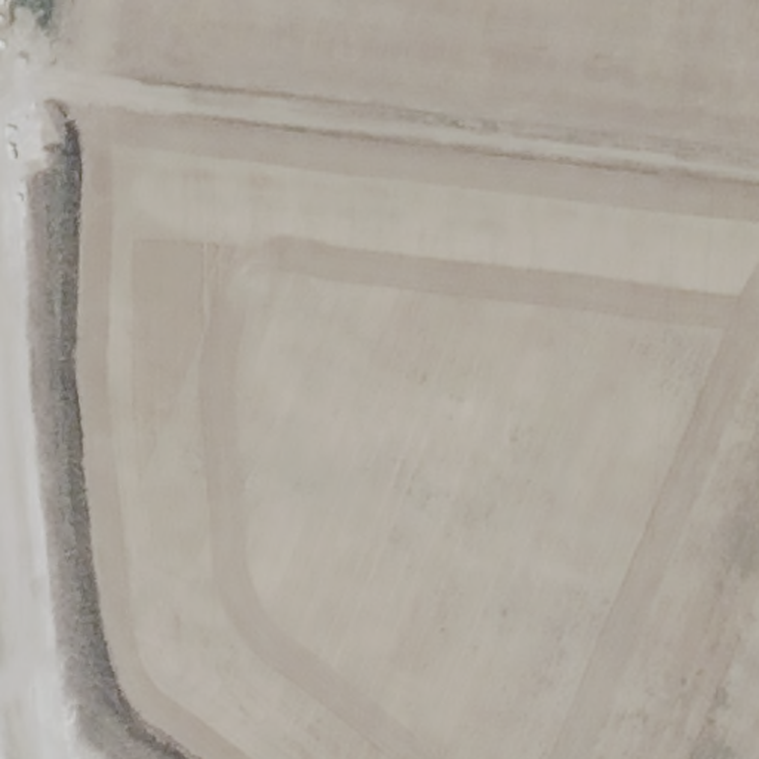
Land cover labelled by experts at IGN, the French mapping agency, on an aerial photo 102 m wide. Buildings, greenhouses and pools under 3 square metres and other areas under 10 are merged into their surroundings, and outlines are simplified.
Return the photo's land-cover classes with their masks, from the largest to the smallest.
<instances>
[{"label":"plowed land","instance_id":"1","mask_svg":"<svg viewBox=\"0 0 759 759\"><path fill-rule=\"evenodd\" d=\"M50 47L47 68L122 77L142 86L341 107L350 110V116L362 119L374 116L474 133H513L519 139L667 151L676 157L715 154L717 160L759 169V0H59V3L53 6V21H50V27H44V30ZM83 154L74 371L83 415V474L101 623L119 685L130 700L133 712L148 723L154 735L175 741L193 759H759V181L673 166H646L629 160H578L557 154L504 151L489 145L380 136L362 130H326L202 113H142L104 104L71 107Z\"/></svg>","mask_w":759,"mask_h":759},{"label":"pervious surface","instance_id":"2","mask_svg":"<svg viewBox=\"0 0 759 759\"><path fill-rule=\"evenodd\" d=\"M50 47L44 30L39 27V24H36V12L30 9V6H27V3H24V0H0V759H104L77 735V700L65 691V652L56 643L53 569L47 557L39 430L33 418L30 388L27 184L33 172L47 169L50 163L42 142V127L47 122L44 104L56 98L71 107L104 104L142 113H202L326 130H362L380 136L489 145L504 151L557 154L578 160H629L646 166H673L759 181V169L717 160L715 154L676 157L667 151L519 139L513 133H474L374 116L362 119L350 116V110L341 107L142 86L122 77L47 68Z\"/></svg>","mask_w":759,"mask_h":759},{"label":"herbaceous vegetation","instance_id":"3","mask_svg":"<svg viewBox=\"0 0 759 759\"><path fill-rule=\"evenodd\" d=\"M47 122L42 127V142L50 163L47 169L33 172L27 184L30 388L33 418L39 430L47 557L53 569L56 643L65 652V691L77 700V735L104 759H193L175 741L154 735L148 723L133 712L130 700L119 685L101 623L83 474V415L74 371L83 154L71 107L56 98L44 104Z\"/></svg>","mask_w":759,"mask_h":759},{"label":"brushwood","instance_id":"4","mask_svg":"<svg viewBox=\"0 0 759 759\"><path fill-rule=\"evenodd\" d=\"M24 3H27V6H30V9L36 12V24H39V27L44 30V27H50V21H53V6L59 3V0H24Z\"/></svg>","mask_w":759,"mask_h":759}]
</instances>
